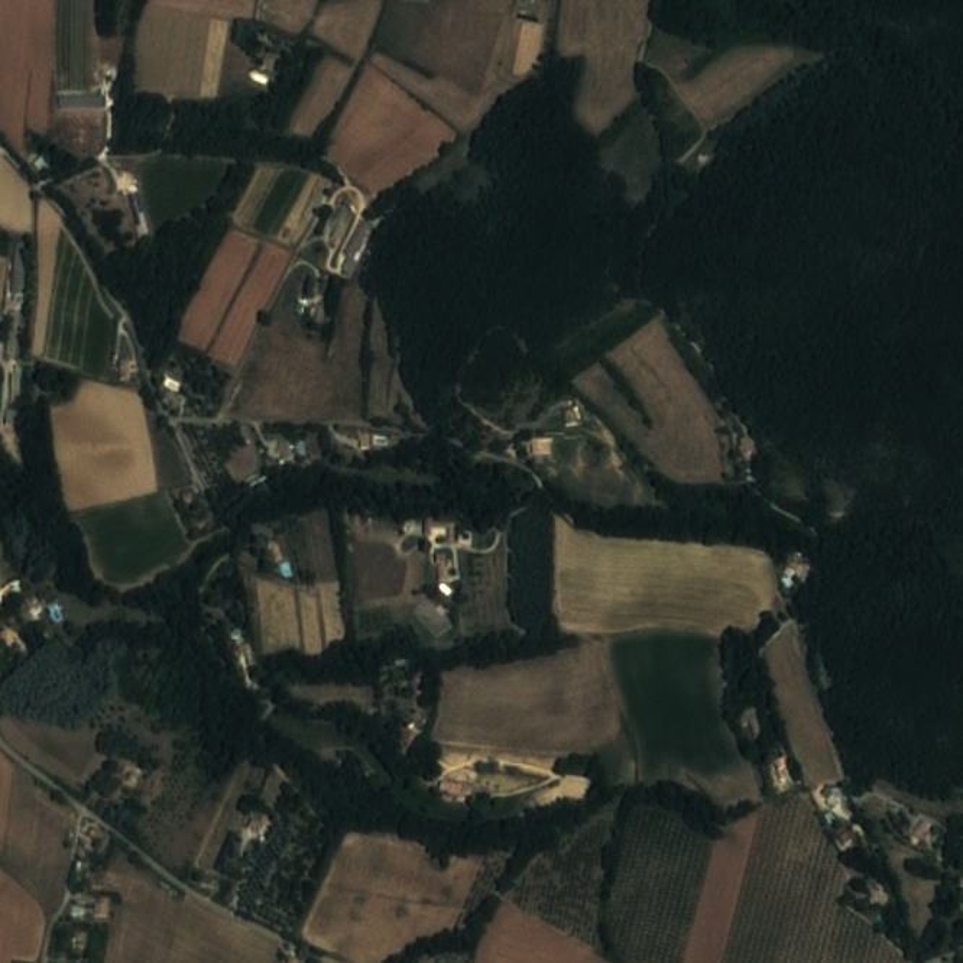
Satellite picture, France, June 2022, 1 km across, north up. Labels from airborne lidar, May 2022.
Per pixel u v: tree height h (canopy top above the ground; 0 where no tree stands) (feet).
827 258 29
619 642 0
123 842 25
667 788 58
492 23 0
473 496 99
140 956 0
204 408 23
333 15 0
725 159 43
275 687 40
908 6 24
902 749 23
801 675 0
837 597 23
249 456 0
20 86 0
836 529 30
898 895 43
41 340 0
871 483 21
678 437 0
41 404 28
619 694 0
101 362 0
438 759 33
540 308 28
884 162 33
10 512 40
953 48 18
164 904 0
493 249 35
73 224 51
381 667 38
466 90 0
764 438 29
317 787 44
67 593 45
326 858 29
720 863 0
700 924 0
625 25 0
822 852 0
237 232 0
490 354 30
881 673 26
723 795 0
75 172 37
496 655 44
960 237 33
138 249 35
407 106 0
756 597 0
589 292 31
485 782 0
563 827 66
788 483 0
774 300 29
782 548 54
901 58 42
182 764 20
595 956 0
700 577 0
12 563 37
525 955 0
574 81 42
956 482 30
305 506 59
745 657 76
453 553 0
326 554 0
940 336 25
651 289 35
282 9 0
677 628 0
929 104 45
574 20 0
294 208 0
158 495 0
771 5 45
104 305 0
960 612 19
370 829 47
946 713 19
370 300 23
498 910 29
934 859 0
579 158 40
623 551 0
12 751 0
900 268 33
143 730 0
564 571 0
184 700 40
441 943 53
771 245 30
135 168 0
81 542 33
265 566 51
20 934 0
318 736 0
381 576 0
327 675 54
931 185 45
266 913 27
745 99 0
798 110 38
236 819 0
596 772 48
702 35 18
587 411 28
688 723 0
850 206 31
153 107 39
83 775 0
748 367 33
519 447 32
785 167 39
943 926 55
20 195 0
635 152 0
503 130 44
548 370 38
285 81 54
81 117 0
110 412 0
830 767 0
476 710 0
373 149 0
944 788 50
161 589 64
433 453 71
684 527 71
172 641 47
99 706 52
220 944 0
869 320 30
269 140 32
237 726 55
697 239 26
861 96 25
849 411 22
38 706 51
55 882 0
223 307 0
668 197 27
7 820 0
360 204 0
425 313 32
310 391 0
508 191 27
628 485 0
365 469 30
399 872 0
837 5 63
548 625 36
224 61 0
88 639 35
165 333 42
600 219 28
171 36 0
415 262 33
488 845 53
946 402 26
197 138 37
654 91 19
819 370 34
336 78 0
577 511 47
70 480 0
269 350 0
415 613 0
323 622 0
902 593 32
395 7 0
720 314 27
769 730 32
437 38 0
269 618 0
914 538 52
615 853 30
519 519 33
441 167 0
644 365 0
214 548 26
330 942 0
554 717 0
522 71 0
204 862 0
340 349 0
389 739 46
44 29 0
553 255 25
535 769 0
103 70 0
